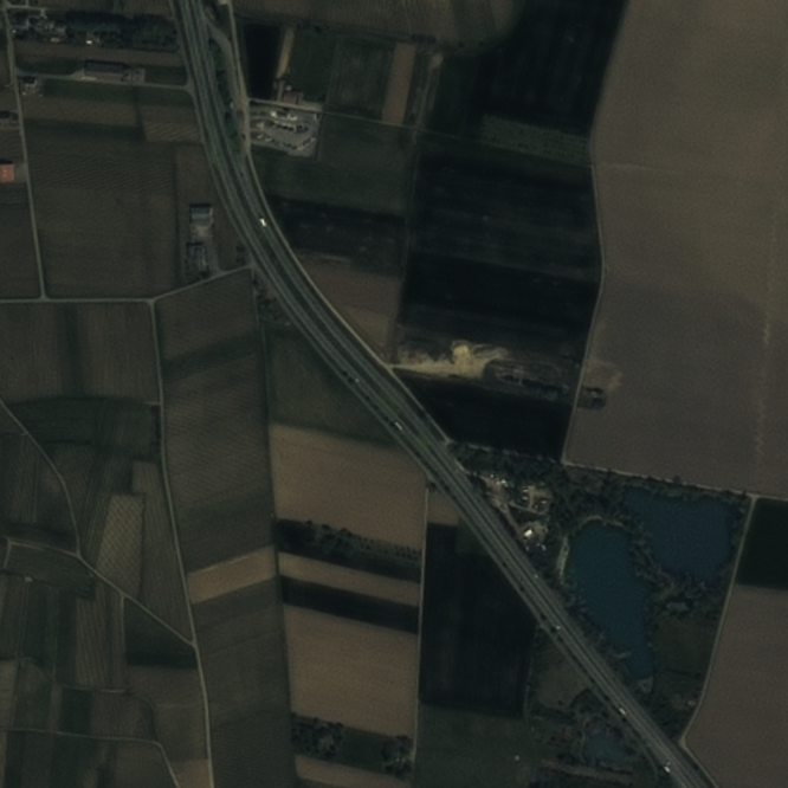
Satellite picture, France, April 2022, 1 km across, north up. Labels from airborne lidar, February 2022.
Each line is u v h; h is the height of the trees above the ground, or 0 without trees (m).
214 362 0
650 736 0
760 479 0
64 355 0
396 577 0
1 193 0
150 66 0
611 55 0
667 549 0
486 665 0
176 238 0
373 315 0
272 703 0
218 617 0
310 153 0
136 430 0
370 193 0
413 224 0
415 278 0
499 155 0
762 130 0
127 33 18
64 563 0
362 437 0
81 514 0
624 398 0
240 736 0
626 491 0
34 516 0
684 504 0
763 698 0
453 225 0
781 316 0
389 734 0
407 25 0
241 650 0
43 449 0
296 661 0
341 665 0
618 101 0
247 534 0
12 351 0
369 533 0
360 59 0
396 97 0
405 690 0
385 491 0
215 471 0
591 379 0
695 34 0
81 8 0
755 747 0
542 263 0
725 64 0
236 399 0
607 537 0
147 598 0
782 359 0
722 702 0
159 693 0
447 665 0
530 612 0
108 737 0
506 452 18
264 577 0
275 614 0
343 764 0
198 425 0
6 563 0
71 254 0
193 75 0
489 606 0
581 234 0
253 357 0
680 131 0
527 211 0
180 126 0
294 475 0
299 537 0
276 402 0
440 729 0
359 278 0
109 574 0
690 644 0
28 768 0
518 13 0
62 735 0
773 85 0
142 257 0
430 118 0
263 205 0
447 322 0
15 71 0
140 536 0
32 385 0
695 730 0
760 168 0
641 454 0
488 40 0
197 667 0
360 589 0
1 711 0
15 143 0
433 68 0
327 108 0
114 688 0
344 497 0
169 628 0
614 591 0
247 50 0
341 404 0
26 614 0
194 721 0
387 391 0
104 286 0
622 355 0
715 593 14
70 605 0
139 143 0
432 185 0
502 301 0
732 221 0
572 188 0
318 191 0
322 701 0
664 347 0
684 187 0
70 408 0
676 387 0
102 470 0
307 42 0
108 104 0
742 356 0
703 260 0
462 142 0
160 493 0
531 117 0
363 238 0
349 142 0
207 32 0
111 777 0
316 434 0
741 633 0
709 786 0
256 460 0
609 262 0
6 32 0
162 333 0
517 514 5
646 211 0
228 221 0
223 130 0
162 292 0
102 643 0
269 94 0
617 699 0
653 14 0
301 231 0
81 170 0
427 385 0
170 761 0
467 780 0
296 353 0
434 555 0
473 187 0
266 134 0
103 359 0
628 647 0
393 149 0
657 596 12
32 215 0
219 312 0
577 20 0
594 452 0
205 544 0
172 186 0
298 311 0
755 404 0
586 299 0
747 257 0
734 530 18
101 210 0
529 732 0
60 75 0
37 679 0
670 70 0
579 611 16
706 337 0
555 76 0
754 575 0
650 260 0
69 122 0
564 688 0
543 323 0
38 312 0
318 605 0
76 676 0
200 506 0
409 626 0
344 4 0
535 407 0
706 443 0
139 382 0
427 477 0
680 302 0
